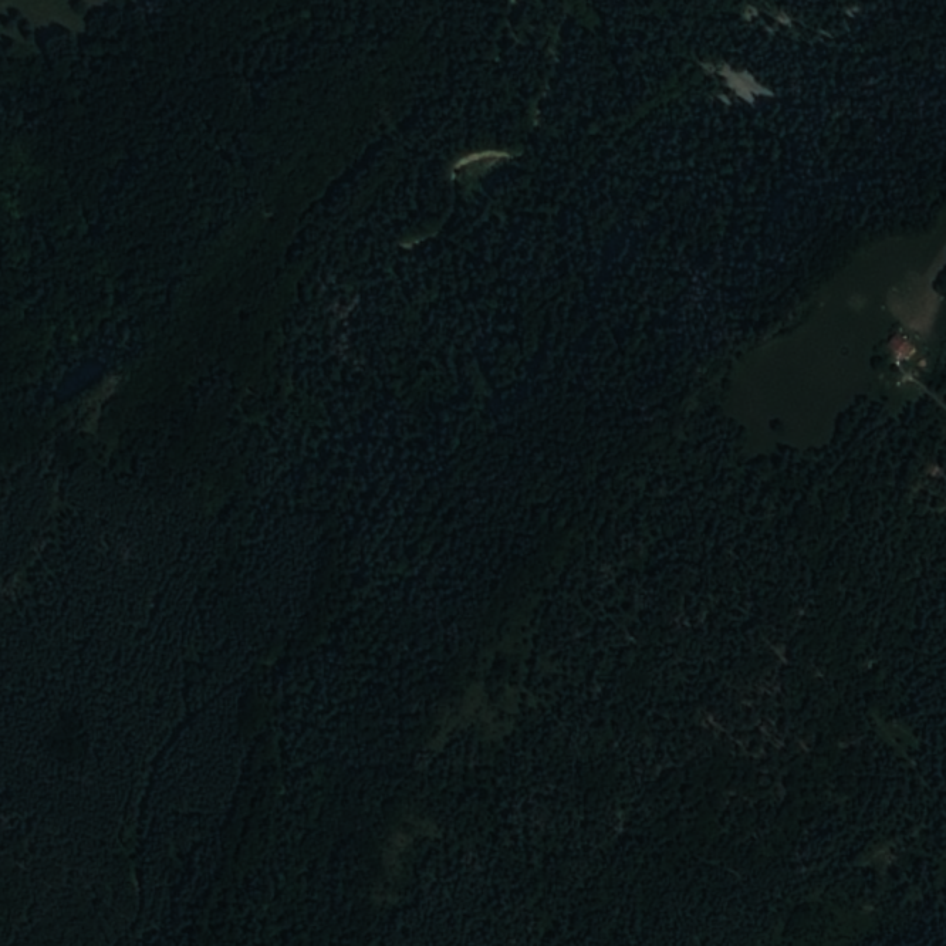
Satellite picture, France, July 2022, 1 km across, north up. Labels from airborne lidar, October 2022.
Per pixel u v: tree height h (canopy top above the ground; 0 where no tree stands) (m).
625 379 23
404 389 14
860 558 15
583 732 16
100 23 19
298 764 20
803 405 0
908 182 30
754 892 20
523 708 15
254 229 20
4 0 0
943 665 12
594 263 27
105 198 30
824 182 24
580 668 11
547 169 8
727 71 0
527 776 12
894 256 0
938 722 21
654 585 9
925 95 23
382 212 30
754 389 0
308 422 11
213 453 26
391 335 25
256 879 25
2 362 35
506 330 20
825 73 18
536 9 18
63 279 37
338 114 14
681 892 20
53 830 23
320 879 17
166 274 15
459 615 23
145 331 32
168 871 25
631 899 22
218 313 31
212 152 36
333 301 28
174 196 37
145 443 25
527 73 18
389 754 14
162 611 24
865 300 0
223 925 22
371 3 18
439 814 13
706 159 25
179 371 25
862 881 8
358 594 21
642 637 17
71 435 12
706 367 24
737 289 7
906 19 13
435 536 29
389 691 21
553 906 20
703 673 19
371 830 15
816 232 20
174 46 31
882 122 14
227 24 27
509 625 14
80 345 19
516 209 9
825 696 19
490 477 32
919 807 12
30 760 26
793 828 22
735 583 24
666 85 15
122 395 13
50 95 21
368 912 16
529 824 14
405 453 35
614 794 13
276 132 21
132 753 22
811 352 0
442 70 23
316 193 32
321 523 25
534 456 27
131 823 25
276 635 27
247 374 35
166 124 31
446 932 23
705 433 12
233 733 24
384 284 19
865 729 16
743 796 7
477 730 7
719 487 19
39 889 13
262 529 20
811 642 16
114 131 35
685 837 23
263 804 27
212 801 20
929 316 0
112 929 19
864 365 0
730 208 32
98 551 20
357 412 28
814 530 17
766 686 10
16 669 23
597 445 28
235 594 25
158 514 19
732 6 13
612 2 19
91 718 26
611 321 14
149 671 24
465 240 26
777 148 29
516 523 27
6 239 36
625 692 18
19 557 19
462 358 18
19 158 33
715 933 22
